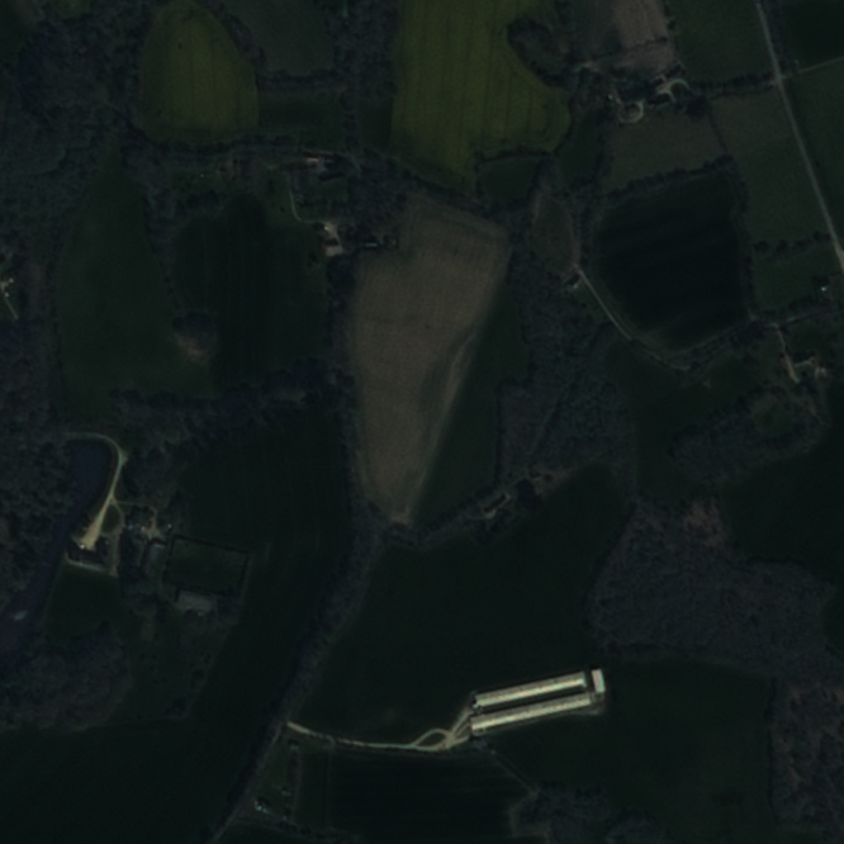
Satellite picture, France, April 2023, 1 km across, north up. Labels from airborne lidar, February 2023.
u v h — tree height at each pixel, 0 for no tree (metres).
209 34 0
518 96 0
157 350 0
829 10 0
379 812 0
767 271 0
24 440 31
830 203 0
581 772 0
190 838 0
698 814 0
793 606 14
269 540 0
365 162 13
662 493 0
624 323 0
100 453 0
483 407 0
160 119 0
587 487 0
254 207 0
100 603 0
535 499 25
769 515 0
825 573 0
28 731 0
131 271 0
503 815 0
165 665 0
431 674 0
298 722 0
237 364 0
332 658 0
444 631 0
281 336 0
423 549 13
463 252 0
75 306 0
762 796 0
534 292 15
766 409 0
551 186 15
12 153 14
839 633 0
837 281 0
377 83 7
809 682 17
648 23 0
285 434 0
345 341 15
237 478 0
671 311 0
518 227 8
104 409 0
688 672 0
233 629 0
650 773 0
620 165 0
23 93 26
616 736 0
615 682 14
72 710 26
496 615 0
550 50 13
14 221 17
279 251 0
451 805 0
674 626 15
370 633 0
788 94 0
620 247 0
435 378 0
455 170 0
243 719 0
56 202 10
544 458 14
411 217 0
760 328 14
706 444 15
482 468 0
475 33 0
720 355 16
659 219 0
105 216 0
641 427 0
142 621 0
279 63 0
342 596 17
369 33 12
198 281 0
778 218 0
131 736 0
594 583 12
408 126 0
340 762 0
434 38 0
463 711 0
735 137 0
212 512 0
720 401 0
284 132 0
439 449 0
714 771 0
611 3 0
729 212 0
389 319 0
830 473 0
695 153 0
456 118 0
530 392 16
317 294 0
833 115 0
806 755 17
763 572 8
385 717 0
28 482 25
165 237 21
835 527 0
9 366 31
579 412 13
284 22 0
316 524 0
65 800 0
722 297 0
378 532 14
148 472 24
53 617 0
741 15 0
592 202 9
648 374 0
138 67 12
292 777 12
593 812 15
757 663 18
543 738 0
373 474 0
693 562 15
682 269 0
